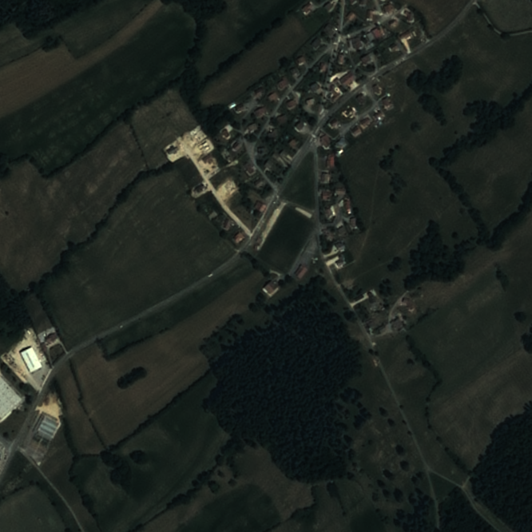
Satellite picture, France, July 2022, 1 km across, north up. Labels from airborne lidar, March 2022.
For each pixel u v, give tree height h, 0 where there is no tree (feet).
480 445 0
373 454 0
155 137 0
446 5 0
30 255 0
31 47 0
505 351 0
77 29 0
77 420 0
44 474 0
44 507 0
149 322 0
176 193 0
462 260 46
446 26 0
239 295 0
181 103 0
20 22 61
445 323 0
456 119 0
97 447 0
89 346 0
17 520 0
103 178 0
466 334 0
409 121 0
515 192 0
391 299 0
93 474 0
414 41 0
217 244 0
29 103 0
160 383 0
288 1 0
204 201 0
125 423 0
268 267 0
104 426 0
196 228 0
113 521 0
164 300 0
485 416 0
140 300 0
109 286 0
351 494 0
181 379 0
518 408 0
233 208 0
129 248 0
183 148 0
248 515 0
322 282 44
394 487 0
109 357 41
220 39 0
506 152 0
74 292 0
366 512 0
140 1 0
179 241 0
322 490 0
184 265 0
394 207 0
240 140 0
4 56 0
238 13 0
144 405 0
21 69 0
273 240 0
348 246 0
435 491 0
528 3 0
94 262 0
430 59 0
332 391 97
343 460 34
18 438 0
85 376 0
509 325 0
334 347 97
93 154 0
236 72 0
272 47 0
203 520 0
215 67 0
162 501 0
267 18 0
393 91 0
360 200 0
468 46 0
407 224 0
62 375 0
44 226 0
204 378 20
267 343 105
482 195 0
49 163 0
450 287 0
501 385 0
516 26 0
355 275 0
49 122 0
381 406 0
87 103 0
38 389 0
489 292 0
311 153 0
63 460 0
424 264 53
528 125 0
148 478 0
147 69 0
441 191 0
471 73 0
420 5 0
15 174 0
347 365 100
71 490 0
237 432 71
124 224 0
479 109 45
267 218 0
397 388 0
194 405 0
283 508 0
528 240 0
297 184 0
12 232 0
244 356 102
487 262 0
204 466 0
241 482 0
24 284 0
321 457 29
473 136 51
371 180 0
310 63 0
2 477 0
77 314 0
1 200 0
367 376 0
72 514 0
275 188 0
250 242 0
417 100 0
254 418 95
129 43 0
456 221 0
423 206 0
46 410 0
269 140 45
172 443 0
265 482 0
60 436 0
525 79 0
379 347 0
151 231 0
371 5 0
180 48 0
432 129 0
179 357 0
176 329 0
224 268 0
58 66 0
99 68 0
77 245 27
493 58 0
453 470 0
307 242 0
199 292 0
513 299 0
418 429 0
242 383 112
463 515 19
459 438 0
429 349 0
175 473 0
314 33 0
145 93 0
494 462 28
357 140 0
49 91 0
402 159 0
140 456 75
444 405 0
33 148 0
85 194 0
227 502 0
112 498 0
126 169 0
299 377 108
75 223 0
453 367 0
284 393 107
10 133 0
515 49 0
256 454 0
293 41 0
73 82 0
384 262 0
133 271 0
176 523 0
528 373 0
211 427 0
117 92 0
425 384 0
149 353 0
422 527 88
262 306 40
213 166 0
